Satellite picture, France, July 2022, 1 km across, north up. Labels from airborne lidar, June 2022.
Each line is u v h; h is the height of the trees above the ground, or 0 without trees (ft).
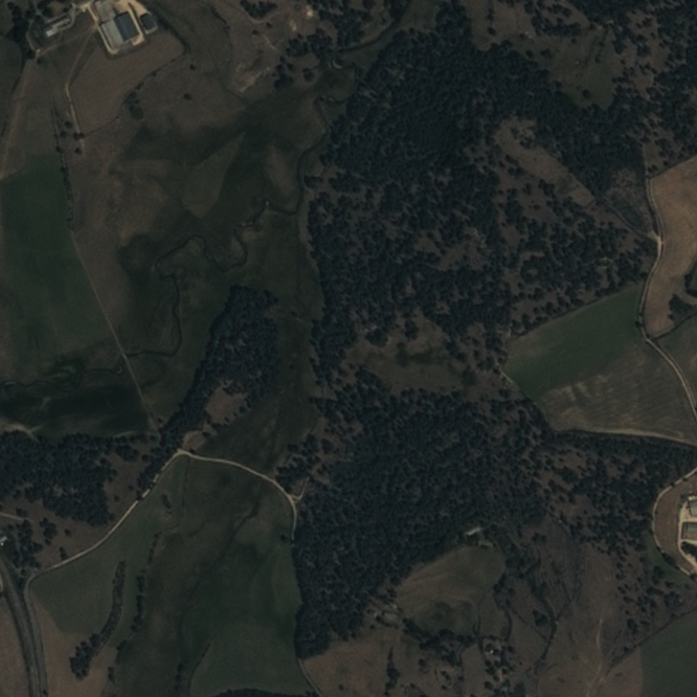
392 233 0
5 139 0
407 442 49
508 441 45
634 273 37
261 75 0
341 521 47
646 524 39
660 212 0
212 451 0
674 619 20
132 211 0
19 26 57
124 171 0
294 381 0
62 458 58
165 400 0
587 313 0
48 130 0
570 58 0
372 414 73
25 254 0
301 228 0
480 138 42
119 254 0
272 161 0
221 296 0
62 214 0
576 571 0
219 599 0
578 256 18
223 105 0
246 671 0
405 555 49
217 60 0
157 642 0
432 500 43
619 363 0
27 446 66
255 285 0
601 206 21
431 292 49
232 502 0
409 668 0
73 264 0
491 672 34
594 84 0
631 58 0
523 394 0
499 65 71
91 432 0
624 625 0
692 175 0
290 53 43
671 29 57
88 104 0
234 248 0
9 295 0
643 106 52
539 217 0
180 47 0
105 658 0
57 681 0
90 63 0
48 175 0
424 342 0
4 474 49
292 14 0
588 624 0
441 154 47
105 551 0
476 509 47
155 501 0
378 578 49
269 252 0
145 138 0
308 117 0
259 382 49
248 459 0
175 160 0
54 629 0
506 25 0
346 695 0
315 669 0
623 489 48
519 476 39
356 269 38
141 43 0
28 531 37
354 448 0
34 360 0
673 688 0
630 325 0
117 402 0
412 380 0
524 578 39
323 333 40
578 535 33
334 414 72
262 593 0
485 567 0
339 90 0
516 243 0
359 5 0
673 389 0
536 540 42
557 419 0
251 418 0
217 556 0
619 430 0
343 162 75
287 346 0
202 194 0
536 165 0
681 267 0
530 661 0
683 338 0
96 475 69
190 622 0
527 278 38
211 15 0
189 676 0
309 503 39
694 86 48
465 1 0
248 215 0
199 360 0
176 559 0
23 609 0
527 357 0
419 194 18
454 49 25
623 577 26
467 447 52
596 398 0
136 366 0
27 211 0
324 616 64
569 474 44
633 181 0
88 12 0
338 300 70
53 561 0
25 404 0
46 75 0
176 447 23
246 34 0
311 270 0
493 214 52
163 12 0
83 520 55
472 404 45
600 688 0
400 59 81
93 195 0
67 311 0
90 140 0
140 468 0
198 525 0
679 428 0
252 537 0
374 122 81
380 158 52
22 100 0
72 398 0
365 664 0
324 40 24
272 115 0
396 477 48
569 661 0
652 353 0
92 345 0
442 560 0
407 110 54
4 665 0
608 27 25
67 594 0
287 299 0
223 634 0
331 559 54
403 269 51
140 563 0
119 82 0
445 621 0
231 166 0
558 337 0
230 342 58
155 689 0
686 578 0
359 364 0
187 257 0
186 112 0
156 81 0
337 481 28
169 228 0
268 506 0
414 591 0
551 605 0
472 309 56
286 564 0
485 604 0
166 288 0
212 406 0
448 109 60
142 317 0
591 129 72
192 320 0
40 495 53
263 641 0
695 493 0
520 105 57
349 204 32
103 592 0
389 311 57
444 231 53
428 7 0
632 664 0
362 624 35
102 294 0
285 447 0
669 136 0
